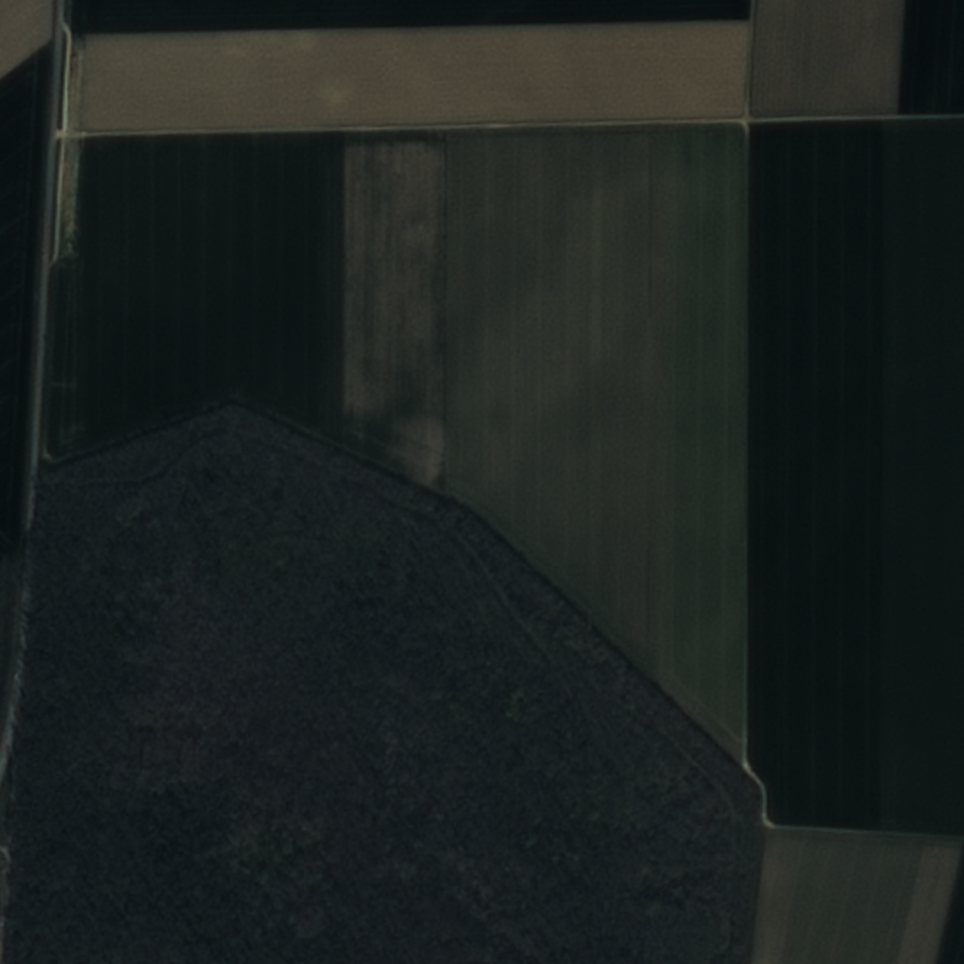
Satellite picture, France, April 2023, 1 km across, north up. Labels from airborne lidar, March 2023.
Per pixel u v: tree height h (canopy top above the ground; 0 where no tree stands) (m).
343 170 0
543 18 0
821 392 0
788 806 0
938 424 0
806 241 0
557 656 17
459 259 0
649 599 0
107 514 22
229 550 26
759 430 0
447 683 25
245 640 26
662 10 0
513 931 17
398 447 0
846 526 0
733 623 0
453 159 0
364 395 0
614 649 10
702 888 10
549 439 0
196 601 23
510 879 18
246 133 0
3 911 0
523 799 23
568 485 0
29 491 0
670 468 0
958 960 0
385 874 19
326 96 0
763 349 0
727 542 0
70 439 0
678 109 0
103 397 0
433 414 0
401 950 17
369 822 19
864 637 0
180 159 0
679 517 0
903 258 0
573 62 0
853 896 0
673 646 0
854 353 0
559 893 21
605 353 0
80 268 0
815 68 0
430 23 0
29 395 0
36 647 20
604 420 0
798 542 0
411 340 0
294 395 0
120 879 19
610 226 0
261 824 25
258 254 0
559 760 26
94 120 0
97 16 0
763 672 0
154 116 0
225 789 20
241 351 0
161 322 0
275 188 0
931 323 0
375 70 0
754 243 0
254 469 19
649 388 0
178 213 0
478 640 20
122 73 0
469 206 0
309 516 18
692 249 0
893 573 0
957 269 0
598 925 20
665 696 13
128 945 18
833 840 0
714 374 0
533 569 7
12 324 0
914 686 0
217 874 25
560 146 0
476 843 19
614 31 0
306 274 0
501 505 0
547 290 0
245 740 20
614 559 0
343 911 22
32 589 24
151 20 0
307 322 0
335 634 25
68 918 20
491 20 0
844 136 0
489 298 0
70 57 0
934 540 0
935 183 0
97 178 0
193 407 0
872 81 0
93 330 0
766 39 0
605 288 0
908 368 0
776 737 0
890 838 0
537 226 0
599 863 26
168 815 22
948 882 0
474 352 0
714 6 0
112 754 20
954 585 0
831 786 0
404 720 16
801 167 0
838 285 0
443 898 21
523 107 0
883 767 0
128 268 0
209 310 0
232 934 25
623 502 0
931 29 0
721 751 11
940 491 0
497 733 21
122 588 24
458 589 23
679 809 14
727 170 0
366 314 0
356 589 24
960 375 0
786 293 0
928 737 0
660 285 0
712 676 0
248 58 0
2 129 0
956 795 0
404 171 0
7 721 0
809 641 0
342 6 0
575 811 23
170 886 21
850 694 0
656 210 0
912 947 0
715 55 0
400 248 0
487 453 0
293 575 26
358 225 0
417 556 20
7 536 0
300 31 0
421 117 0
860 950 0
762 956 0
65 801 22
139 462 10
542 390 0
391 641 27
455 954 19
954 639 0
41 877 19
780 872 0
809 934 0
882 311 0
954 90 0
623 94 0
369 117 0
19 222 0
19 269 0
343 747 19
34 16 0
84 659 21
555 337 0
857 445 0
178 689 21
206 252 0
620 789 27
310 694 21
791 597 0
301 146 0
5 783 0
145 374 0
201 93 0
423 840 24
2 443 0
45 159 0
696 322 0
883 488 0
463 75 0
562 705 22
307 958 21
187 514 21
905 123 0
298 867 20
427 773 19
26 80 0
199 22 0
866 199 0
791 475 0
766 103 0
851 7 0
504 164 0
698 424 0
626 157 0
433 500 11
